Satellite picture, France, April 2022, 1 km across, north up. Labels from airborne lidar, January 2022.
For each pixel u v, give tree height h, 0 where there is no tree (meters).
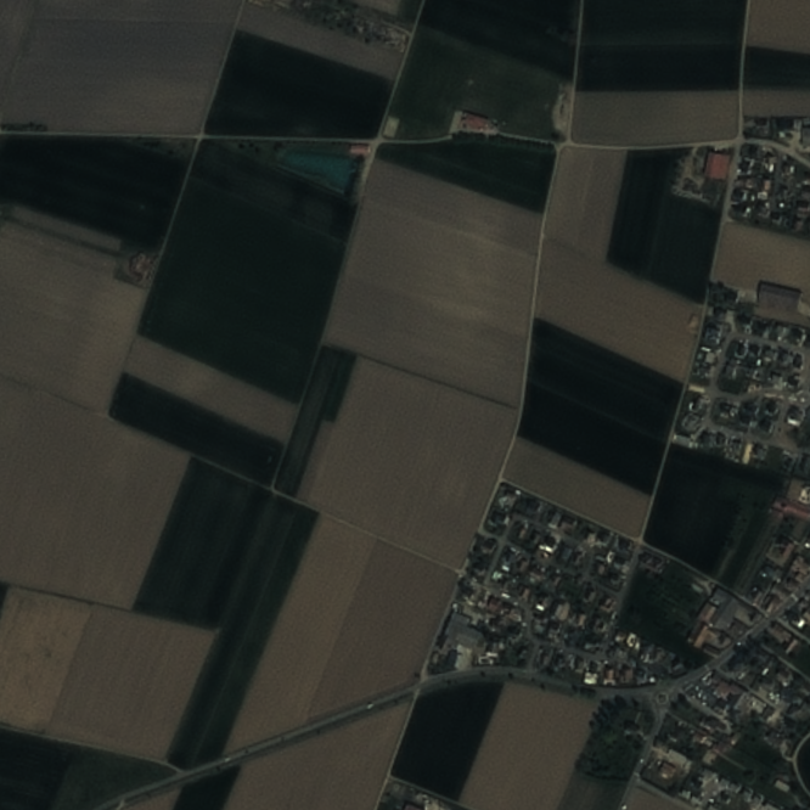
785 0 0
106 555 0
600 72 0
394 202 0
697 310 0
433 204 0
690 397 0
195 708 0
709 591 0
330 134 0
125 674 0
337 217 0
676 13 0
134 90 0
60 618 0
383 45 0
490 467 0
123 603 0
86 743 0
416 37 0
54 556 0
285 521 0
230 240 0
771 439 0
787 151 0
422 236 0
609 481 0
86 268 0
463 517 0
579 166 0
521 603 0
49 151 0
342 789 0
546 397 0
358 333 0
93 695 0
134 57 0
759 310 0
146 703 0
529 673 0
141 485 0
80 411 0
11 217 0
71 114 0
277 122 0
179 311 0
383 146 0
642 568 0
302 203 0
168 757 0
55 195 0
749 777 10
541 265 0
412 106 0
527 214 0
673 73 0
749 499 0
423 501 0
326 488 0
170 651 0
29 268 0
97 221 0
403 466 0
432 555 0
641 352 0
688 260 0
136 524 0
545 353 0
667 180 0
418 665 0
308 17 0
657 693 0
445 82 0
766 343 0
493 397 0
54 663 0
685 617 0
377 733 0
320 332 0
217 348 0
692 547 0
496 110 0
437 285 0
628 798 0
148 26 0
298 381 0
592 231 0
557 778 0
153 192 0
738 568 0
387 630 0
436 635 0
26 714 0
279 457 0
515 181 0
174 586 0
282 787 0
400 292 0
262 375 0
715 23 0
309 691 0
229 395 0
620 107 0
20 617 0
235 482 0
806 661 0
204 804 0
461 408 0
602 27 0
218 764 0
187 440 0
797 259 0
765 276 0
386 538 0
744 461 0
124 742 0
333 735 0
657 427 0
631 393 0
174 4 0
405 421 0
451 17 0
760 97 0
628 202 0
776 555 0
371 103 0
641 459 0
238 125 0
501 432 0
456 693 0
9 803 0
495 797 0
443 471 0
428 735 0
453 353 0
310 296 0
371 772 0
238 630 0
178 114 0
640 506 0
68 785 0
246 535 0
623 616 0
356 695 0
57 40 0
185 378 0
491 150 0
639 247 0
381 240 0
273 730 0
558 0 0
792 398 0
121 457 0
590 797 0
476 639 0
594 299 0
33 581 0
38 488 0
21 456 0
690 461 0
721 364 0
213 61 0
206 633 0
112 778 0
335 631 0
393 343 0
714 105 0
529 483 0
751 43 0
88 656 0
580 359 0
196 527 0
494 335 0
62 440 0
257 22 0
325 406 0
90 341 0
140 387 0
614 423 0
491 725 0
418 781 0
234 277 0
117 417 0
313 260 0
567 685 0
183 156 0
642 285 0
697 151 0
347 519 0
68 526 0
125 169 0
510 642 0
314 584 0
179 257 0
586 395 0
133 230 0
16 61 0
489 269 0
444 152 0
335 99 0
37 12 0
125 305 0
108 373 0
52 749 0
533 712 0
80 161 0
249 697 0
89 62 0
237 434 0
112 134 0
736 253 0
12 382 0
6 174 0
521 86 0
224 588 0
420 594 0
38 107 0
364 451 0
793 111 0
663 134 0
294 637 0
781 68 0
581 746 0
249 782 0
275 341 0
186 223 0
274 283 0
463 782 0
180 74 0
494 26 0
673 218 0
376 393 0
